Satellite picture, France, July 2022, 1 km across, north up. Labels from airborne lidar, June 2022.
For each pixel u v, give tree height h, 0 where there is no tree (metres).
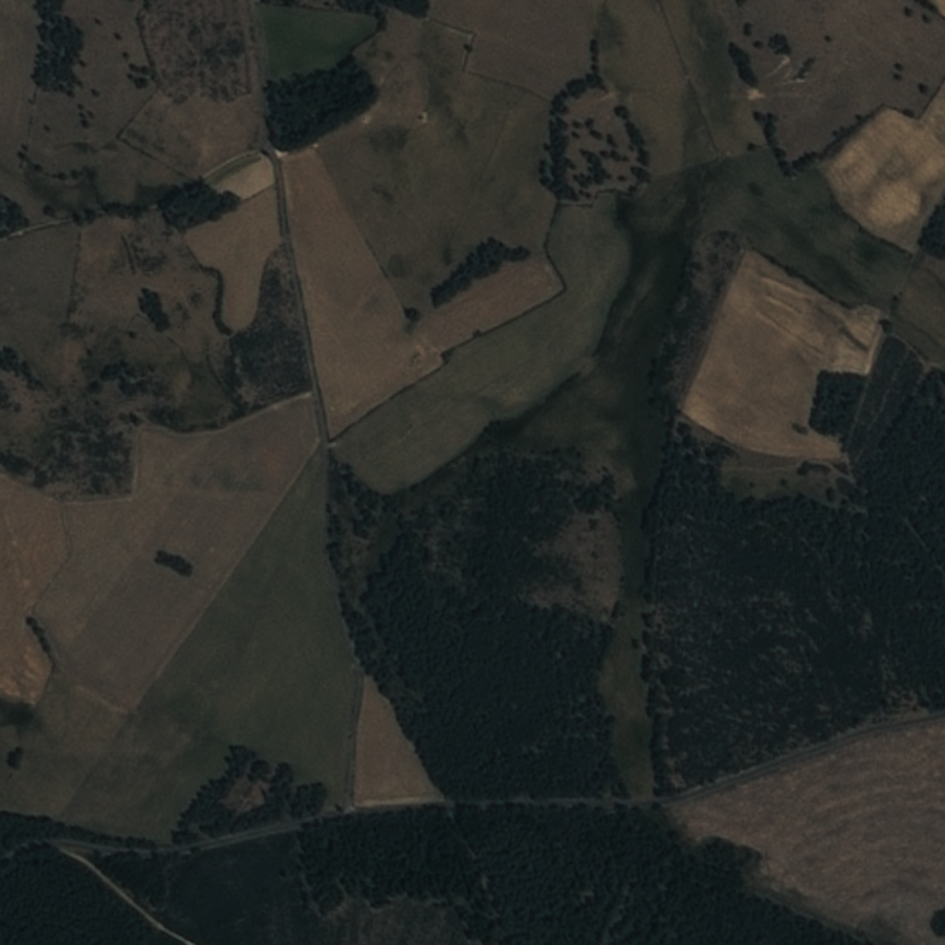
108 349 0
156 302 14
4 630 0
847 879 0
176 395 0
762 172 0
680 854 16
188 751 0
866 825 0
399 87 0
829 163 0
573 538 0
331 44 0
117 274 0
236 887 0
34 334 0
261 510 0
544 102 0
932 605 12
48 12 15
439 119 0
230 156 0
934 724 0
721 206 0
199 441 0
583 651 17
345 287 0
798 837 0
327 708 0
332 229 0
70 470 0
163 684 0
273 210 0
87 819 0
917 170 0
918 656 8
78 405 0
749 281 0
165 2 0
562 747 17
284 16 0
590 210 0
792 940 11
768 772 0
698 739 6
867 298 0
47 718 0
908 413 19
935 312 0
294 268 0
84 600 0
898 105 0
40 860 20
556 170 16
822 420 8
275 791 13
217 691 0
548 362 0
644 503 0
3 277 0
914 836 0
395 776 0
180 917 0
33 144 0
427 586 13
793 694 6
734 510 18
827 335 0
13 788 0
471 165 0
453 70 0
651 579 12
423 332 0
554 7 0
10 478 0
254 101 0
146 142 0
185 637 0
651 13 0
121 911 16
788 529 7
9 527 0
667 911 23
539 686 12
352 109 18
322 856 19
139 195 0
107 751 0
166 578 0
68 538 0
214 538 0
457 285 15
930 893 0
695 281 0
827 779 0
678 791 6
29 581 0
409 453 0
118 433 0
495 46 0
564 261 0
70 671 0
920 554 12
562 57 0
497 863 20
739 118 0
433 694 14
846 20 0
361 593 0
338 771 0
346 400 0
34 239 0
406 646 18
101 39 0
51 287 0
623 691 0
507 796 19
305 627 0
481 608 10
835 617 6
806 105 0
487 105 0
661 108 0
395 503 12
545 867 18
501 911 19
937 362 0
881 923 0
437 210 0
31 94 0
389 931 0
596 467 0
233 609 0
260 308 0
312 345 0
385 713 0
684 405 0
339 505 0
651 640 7
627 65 0
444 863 17
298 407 0
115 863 16
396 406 0
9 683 0
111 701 0
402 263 0
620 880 9
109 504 0
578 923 12
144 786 0
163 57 0
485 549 7
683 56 0
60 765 0
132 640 0
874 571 12
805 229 0
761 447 0
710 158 0
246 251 0
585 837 11
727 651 5
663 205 0
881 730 0
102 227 0
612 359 0
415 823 11
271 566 0
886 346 6
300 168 0
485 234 0
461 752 16
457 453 0
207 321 0
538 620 15
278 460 0
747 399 0
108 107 0
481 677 16
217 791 17
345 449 0
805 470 10
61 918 18
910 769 0
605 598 0
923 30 0
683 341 0
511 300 0
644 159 16
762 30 0
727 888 19
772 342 0
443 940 0
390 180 0
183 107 0
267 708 0
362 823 11
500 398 0
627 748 0
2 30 0
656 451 0
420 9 16
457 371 0
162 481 0
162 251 0
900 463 17
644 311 0
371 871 10
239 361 0
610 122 0
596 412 0
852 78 0
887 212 0
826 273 0
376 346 0
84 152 0
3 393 0
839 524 13
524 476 10
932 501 12
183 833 9
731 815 0
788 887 0
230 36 0
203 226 0
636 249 0
